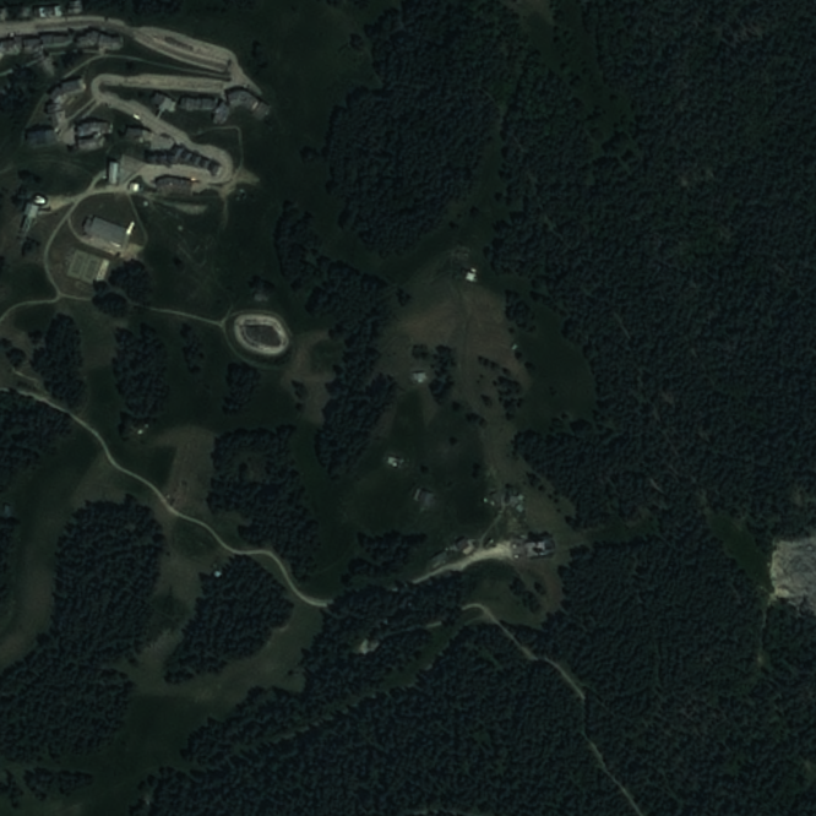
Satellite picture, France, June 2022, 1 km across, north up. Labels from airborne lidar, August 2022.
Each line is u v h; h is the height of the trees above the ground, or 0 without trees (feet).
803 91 64
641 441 101
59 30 0
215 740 57
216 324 0
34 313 0
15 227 0
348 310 114
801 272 72
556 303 42
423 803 74
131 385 98
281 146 0
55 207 0
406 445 0
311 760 90
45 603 0
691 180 49
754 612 77
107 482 0
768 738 34
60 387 75
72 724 91
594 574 84
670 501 81
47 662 64
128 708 73
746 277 53
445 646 0
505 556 0
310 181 0
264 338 0
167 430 0
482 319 0
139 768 0
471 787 80
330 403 0
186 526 0
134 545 77
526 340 0
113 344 0
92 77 0
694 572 99
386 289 106
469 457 0
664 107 76
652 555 72
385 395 88
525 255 90
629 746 88
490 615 0
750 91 47
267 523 90
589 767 65
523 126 87
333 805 74
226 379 0
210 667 72
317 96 0
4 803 0
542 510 0
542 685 77
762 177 66
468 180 89
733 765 39
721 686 56
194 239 0
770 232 98
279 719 69
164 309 0
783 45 105
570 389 0
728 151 83
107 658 79
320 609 0
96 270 0
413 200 75
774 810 67
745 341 99
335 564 0
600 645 76
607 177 84
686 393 81
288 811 59
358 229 61
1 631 0
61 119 0
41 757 45
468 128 84
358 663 60
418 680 0
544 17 0
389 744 99
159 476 0
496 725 90
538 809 87
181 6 75
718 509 89
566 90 101
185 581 0
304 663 23
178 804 71
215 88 0
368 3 51
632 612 73
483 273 0
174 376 0
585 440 50
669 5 58
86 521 90
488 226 0
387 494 0
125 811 0
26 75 76
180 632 0
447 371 45
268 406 0
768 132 41
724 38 27
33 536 0
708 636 79
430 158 98
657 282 60
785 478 59
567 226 94
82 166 0
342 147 77
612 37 83
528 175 86
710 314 52
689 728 89
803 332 79
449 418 0
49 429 66
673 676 33
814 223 52
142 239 0
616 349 89
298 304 0
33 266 0
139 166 0
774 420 86
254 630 89
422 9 81
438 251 0
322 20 0
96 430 0
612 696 86
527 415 0
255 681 0
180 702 0
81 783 67
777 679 20
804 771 34
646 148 63
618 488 69
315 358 0
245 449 74
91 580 44
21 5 32
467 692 85
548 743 68
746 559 0
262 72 30
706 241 40
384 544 84
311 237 77
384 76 73
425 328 0
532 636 95
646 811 47
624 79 105
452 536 0
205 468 0
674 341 99
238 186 0
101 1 83
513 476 0
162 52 0
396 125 74
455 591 94
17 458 60
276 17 0
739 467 59
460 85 59
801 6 69
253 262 0
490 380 0
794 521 71
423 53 98
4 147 0
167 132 0
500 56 96
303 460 0
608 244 74
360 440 92
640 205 92
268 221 0
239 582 81
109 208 0
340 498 0
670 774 29
